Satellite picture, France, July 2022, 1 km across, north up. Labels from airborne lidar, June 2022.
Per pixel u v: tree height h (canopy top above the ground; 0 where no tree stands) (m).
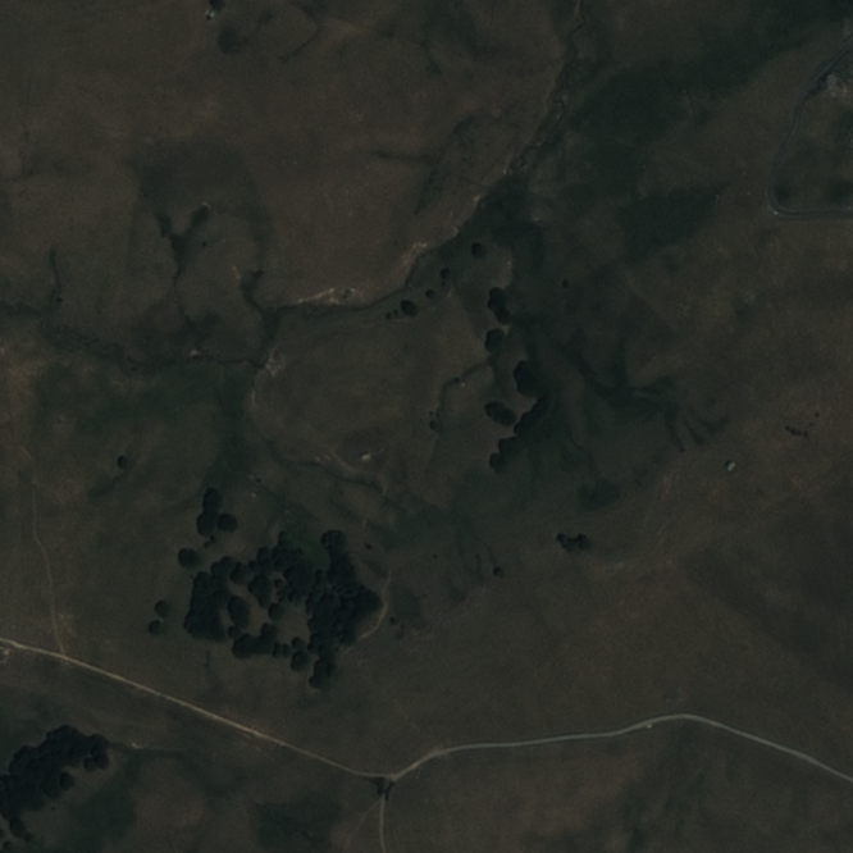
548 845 0
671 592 0
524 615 0
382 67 0
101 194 0
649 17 0
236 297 0
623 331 0
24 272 0
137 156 0
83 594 0
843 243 0
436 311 0
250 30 0
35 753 13
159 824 0
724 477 0
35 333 0
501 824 0
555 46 0
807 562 0
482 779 0
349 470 0
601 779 0
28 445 0
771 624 0
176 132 0
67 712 0
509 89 0
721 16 0
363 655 0
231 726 0
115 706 0
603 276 0
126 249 0
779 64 0
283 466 0
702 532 0
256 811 0
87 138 0
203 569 0
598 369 0
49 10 0
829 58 0
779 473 0
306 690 0
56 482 0
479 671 0
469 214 0
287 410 0
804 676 0
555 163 0
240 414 0
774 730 0
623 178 0
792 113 0
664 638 0
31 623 0
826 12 0
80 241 0
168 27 0
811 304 0
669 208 0
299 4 0
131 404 0
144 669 0
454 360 0
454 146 0
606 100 0
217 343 0
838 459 0
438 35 0
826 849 0
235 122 0
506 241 0
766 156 0
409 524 0
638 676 0
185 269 0
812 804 0
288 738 0
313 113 0
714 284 0
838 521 0
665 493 0
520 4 0
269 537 0
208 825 0
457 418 0
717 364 0
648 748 0
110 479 0
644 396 0
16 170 0
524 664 0
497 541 0
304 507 0
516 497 0
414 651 0
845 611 0
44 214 0
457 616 0
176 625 0
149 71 0
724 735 0
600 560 0
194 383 0
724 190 0
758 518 0
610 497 0
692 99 0
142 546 0
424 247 0
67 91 0
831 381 0
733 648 0
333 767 0
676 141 0
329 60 0
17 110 0
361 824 0
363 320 0
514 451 14
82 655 0
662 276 0
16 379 0
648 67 0
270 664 0
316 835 0
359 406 0
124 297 0
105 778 0
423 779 0
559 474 0
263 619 0
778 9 0
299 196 0
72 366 0
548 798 0
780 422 0
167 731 0
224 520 15
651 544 0
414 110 0
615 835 0
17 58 0
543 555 0
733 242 0
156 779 0
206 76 0
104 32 0
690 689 0
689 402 0
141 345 0
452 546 0
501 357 0
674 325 0
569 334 0
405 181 0
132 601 0
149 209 0
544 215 0
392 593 0
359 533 0
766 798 0
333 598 20
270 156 0
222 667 0
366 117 0
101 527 0
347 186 0
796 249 0
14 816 11
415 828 0
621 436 0
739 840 0
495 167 0
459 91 0
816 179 0
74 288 0
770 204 0
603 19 0
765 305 0
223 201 0
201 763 0
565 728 0
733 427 0
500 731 0
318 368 0
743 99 0
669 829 0
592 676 0
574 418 0
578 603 0
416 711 0
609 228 0
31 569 0
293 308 0
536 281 0
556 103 0
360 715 0
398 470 0
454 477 0
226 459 0
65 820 0
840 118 0
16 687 0
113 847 0
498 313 10
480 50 0
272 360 0
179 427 0
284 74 0
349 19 0
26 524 0
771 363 0
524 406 0
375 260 0
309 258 0
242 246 0
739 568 0
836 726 0
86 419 0
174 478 0
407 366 0
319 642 11
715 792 0
